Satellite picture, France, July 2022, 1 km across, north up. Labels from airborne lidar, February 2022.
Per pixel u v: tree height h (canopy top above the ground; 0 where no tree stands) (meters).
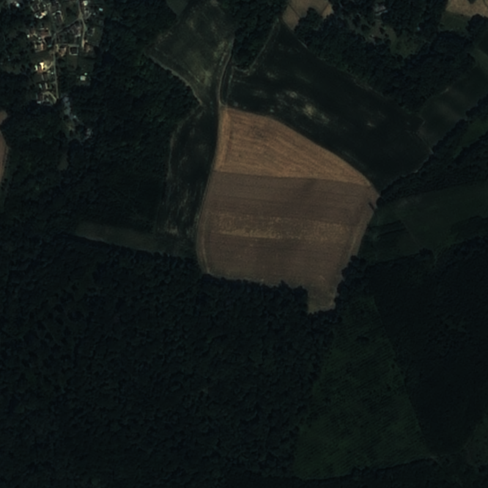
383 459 0
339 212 0
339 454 0
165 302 25
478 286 13
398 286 14
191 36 0
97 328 27
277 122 0
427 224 0
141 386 23
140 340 24
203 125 0
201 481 23
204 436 25
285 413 30
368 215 0
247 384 28
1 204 6
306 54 0
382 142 0
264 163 0
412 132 0
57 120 20
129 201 0
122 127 26
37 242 33
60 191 29
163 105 11
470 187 0
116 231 0
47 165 24
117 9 13
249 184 0
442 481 7
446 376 10
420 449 0
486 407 12
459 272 13
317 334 25
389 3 17
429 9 14
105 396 29
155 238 0
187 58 0
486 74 0
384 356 0
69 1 0
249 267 0
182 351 24
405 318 17
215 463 24
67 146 22
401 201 6
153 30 19
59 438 27
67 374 26
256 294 26
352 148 0
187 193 0
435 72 25
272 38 0
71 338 24
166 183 0
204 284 26
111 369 22
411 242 0
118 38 24
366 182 0
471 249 21
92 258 22
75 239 17
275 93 0
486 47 0
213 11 0
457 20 0
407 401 0
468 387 13
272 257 0
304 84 0
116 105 26
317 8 0
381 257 0
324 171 0
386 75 27
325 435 0
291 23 0
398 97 18
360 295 25
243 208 0
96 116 19
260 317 30
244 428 32
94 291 12
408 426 0
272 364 30
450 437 12
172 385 25
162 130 21
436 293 15
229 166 0
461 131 15
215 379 26
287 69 0
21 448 26
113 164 26
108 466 25
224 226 0
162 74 13
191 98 14
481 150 19
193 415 25
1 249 17
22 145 16
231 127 0
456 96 0
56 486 31
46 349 28
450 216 0
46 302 26
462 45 19
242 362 27
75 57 0
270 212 0
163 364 24
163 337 20
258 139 0
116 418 24
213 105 0
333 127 0
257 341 29
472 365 13
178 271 26
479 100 0
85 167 26
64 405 23
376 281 16
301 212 0
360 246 0
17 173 9
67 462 30
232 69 0
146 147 21
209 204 0
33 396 25
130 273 27
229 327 30
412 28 13
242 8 19
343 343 0
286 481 16
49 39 18
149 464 23
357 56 24
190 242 0
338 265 0
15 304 28
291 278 0
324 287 0
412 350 14
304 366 29
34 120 25
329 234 0
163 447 20
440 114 0
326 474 0
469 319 11
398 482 12
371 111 0
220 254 0
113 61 30
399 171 0
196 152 0
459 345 8
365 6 17
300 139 0
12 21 15
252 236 0
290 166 0
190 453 24
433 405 11
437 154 15
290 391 30
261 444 29
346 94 0
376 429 0
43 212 30
